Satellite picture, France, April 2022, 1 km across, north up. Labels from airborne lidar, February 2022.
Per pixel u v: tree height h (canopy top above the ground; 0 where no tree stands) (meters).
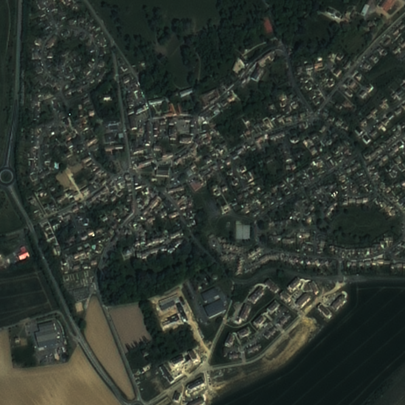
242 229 0
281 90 11
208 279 0
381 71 0
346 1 27
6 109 7
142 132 0
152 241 0
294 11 29
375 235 0
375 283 0
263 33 13
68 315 0
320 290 0
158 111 0
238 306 0
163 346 20
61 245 16
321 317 0
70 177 0
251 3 0
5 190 0
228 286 0
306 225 12
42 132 0
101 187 0
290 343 0
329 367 0
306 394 0
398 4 0
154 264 18
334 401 0
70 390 0
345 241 0
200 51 20
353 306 0
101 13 0
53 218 5
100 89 18
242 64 0
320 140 0
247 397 0
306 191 14
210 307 0
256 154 6
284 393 0
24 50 7
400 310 0
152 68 7
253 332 0
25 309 0
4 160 0
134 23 0
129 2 0
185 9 0
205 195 0
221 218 0
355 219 0
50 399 0
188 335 13
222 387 0
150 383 0
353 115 7
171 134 0
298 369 0
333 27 19
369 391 0
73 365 0
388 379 0
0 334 0
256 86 0
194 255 20
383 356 0
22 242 0
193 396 0
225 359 0
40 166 0
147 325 14
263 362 0
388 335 0
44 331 0
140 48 0
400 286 0
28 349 0
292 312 0
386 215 9
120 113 6
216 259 16
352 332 0
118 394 0
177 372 0
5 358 0
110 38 0
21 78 6
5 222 0
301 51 28
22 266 16
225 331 0
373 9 0
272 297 0
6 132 0
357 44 0
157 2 0
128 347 0
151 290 26
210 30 16
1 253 0
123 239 0
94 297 0
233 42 21
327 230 8
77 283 0
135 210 0
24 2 13
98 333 0
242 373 0
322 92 0
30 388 0
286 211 7
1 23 0
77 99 0
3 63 0
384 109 0
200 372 0
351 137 17
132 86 0
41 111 0
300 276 0
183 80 0
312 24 0
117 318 0
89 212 8
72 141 14
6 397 0
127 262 0
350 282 0
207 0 0
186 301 0
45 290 0
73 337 0
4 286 0
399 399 0
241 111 8
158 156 0
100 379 0
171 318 0
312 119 0
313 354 0
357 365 0
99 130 25
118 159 20
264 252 0
